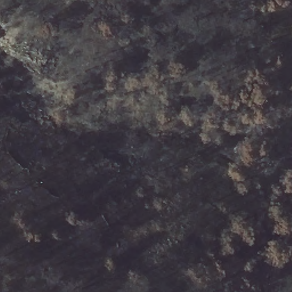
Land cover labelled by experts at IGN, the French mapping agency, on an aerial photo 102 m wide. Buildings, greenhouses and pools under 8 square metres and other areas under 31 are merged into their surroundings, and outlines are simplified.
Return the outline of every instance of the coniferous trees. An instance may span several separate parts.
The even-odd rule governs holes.
[[[228,155],[225,163],[228,193],[212,196],[214,217],[211,227],[197,233],[188,244],[188,250],[192,255],[186,260],[179,260],[176,265],[182,271],[182,281],[187,286],[192,286],[195,292],[253,292],[258,286],[257,278],[254,276],[257,275],[259,268],[282,268],[287,261],[292,263],[292,170],[282,170],[274,161],[269,160],[267,133],[269,129],[274,128],[275,112],[265,97],[268,92],[282,86],[281,64],[285,56],[284,49],[275,46],[273,41],[263,41],[257,50],[246,55],[227,79],[214,78],[206,88],[206,94],[213,96],[213,103],[204,107],[196,107],[189,102],[169,104],[168,92],[163,84],[171,78],[178,78],[186,65],[175,55],[163,54],[161,50],[156,50],[154,54],[148,52],[148,64],[143,72],[117,65],[123,58],[122,51],[108,60],[104,70],[100,72],[106,79],[105,88],[112,90],[116,87],[125,87],[122,95],[131,107],[130,117],[140,117],[144,122],[151,122],[155,117],[159,125],[169,125],[171,120],[182,120],[189,127],[192,125],[203,143],[219,144]]]
[[[290,5],[290,1],[282,0],[270,0],[267,5],[250,5],[251,10],[260,10],[262,15],[275,13],[279,8]]]
[[[128,277],[124,278],[127,292],[149,292],[147,277],[141,275],[136,267],[130,266],[127,268]]]

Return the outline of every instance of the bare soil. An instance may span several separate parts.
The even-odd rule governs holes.
[[[253,292],[292,292],[292,263],[287,261],[282,268],[259,268],[257,275],[254,276],[257,278],[258,286]]]
[[[290,5],[279,8],[275,13],[262,15],[260,10],[251,10],[250,5],[267,5],[270,0],[0,0],[0,292],[127,292],[124,278],[128,277],[127,268],[130,266],[136,267],[141,275],[147,277],[149,292],[195,292],[192,286],[187,286],[182,281],[182,271],[176,265],[179,260],[186,260],[192,255],[188,250],[188,244],[197,233],[211,227],[214,217],[212,196],[228,193],[225,163],[228,155],[219,144],[203,143],[192,125],[189,127],[182,120],[171,120],[169,125],[159,125],[155,117],[151,122],[144,122],[140,117],[130,117],[131,107],[122,95],[125,87],[116,87],[112,90],[105,88],[106,79],[100,72],[104,70],[108,60],[122,51],[123,58],[117,65],[143,72],[148,64],[148,52],[154,54],[156,50],[161,50],[163,54],[175,55],[186,65],[178,78],[171,78],[163,84],[168,92],[169,104],[189,102],[196,107],[204,107],[213,103],[213,96],[206,94],[206,88],[214,78],[227,79],[246,55],[257,50],[263,41],[273,41],[275,46],[284,49],[285,56],[281,64],[282,86],[268,92],[265,97],[275,112],[274,128],[269,129],[267,133],[269,160],[274,161],[282,170],[292,170],[292,0],[282,0],[290,1]]]

